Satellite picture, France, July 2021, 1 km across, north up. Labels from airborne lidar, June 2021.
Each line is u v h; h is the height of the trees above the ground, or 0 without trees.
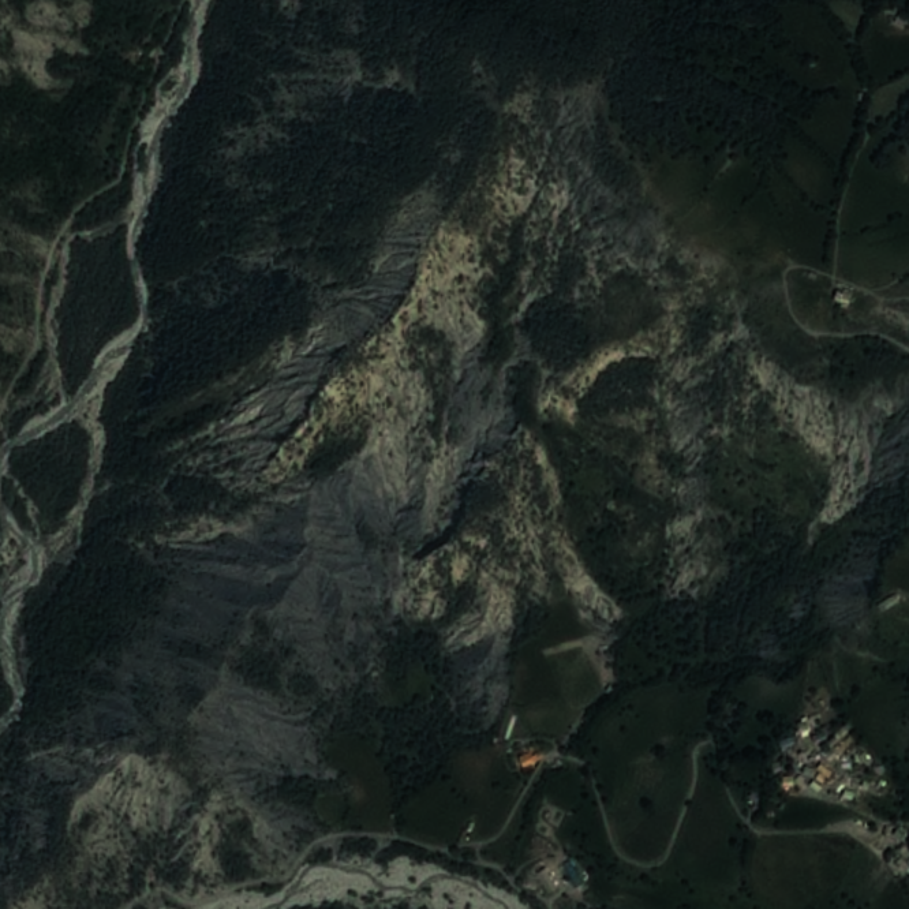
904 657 0
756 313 0
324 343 0
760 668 12
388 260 0
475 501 7
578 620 0
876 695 0
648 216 0
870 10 10
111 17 10
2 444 8
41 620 12
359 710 9
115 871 11
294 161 7
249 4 10
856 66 12
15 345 0
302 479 0
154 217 14
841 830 0
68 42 0
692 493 0
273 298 8
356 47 5
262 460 0
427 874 0
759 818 8
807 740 0
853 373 12
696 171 0
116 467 10
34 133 8
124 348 0
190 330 8
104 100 11
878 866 0
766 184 8
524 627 10
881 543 7
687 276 0
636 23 14
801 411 0
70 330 6
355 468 0
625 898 0
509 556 6
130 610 11
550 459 0
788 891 0
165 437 8
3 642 0
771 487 0
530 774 6
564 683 0
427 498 0
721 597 9
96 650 10
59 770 0
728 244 0
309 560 0
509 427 0
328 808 0
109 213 8
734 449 0
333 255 6
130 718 0
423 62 9
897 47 0
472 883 0
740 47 12
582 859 9
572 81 9
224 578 0
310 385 0
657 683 9
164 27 11
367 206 7
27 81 7
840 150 0
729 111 10
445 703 9
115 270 6
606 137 6
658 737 0
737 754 14
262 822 0
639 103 15
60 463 7
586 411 6
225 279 6
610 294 0
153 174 0
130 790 0
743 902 0
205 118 10
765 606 14
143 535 7
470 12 15
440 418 6
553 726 0
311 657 0
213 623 0
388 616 6
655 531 0
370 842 8
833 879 0
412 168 6
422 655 11
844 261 0
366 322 0
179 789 0
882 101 0
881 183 0
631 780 0
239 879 8
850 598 0
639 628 10
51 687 8
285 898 0
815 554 8
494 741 6
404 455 0
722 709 14
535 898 8
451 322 0
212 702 0
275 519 0
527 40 14
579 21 13
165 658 0
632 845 0
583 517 0
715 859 0
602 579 8
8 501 7
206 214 9
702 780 0
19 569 0
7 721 0
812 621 7
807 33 0
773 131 13
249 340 6
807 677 0
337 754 0
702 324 7
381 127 8
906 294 0
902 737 0
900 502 12
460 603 7
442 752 15
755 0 19
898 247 0
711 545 0
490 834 0
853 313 0
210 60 10
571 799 0
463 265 0
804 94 10
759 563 11
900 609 0
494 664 0
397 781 11
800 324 0
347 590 0
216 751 0
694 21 16
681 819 0
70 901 8
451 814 0
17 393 8
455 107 6
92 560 15
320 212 7
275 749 0
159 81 7
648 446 0
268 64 8
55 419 0
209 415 11
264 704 0
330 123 7
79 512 0
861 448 0
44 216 6
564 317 6
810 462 0
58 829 5
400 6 12
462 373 0
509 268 7
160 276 10
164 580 8
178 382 11
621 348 0
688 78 13
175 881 7
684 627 10
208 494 8
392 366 0
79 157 6
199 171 5
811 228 0
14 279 0
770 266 0
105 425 7
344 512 0
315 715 7
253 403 0
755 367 0
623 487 9
